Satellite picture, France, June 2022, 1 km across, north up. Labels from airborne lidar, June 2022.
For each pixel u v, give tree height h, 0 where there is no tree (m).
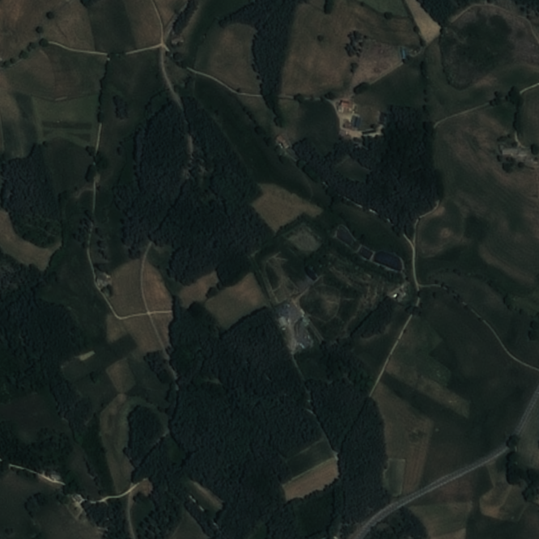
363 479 24
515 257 0
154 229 23
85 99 0
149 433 25
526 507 0
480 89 0
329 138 0
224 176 14
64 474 7
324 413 26
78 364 0
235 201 24
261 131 20
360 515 17
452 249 0
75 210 0
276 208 0
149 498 9
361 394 24
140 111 0
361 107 0
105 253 20
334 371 15
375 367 0
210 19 0
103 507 21
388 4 0
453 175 0
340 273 0
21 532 0
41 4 0
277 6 30
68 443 7
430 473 0
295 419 25
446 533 0
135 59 0
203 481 22
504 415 0
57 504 0
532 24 0
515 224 0
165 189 25
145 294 0
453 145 0
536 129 0
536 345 0
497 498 0
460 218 0
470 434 0
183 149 17
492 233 0
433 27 0
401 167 17
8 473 0
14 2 0
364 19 0
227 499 29
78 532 0
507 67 0
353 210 0
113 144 0
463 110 0
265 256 0
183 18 16
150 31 0
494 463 0
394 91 0
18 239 0
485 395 0
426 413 0
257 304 0
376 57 0
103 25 0
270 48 19
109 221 0
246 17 19
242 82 0
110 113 0
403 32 0
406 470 0
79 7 0
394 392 0
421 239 0
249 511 20
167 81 0
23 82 0
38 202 17
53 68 0
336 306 0
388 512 0
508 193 0
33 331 25
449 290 10
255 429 23
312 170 17
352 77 0
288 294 0
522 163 11
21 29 0
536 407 0
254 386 23
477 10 0
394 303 16
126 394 0
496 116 0
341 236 0
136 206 23
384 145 17
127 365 0
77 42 0
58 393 21
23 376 24
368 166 20
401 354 0
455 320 0
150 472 24
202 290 0
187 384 19
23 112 0
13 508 0
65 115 0
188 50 0
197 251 22
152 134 25
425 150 22
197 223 25
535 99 0
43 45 14
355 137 0
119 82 0
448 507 0
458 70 0
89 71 0
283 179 0
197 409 20
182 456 0
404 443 0
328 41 0
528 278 0
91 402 9
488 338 0
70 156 0
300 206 0
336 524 21
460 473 0
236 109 0
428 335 0
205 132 21
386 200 16
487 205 0
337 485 22
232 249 24
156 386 0
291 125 0
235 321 0
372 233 0
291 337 0
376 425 21
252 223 17
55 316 26
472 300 0
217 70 0
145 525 22
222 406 18
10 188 24
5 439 12
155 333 0
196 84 0
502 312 0
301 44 0
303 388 18
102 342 0
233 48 0
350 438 24
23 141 0
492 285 12
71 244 0
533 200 0
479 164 0
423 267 0
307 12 0
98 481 15
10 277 13
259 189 21
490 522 0
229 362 24
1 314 20
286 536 25
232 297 0
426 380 0
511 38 0
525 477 16
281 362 29
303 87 0
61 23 0
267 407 36
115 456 0
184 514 0
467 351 0
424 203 19
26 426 0
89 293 0
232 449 20
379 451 21
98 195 0
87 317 0
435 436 0
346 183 19
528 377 0
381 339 0
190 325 25
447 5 27
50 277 15
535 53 0
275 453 19
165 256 0
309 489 0
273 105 16
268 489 21
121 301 0
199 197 19
